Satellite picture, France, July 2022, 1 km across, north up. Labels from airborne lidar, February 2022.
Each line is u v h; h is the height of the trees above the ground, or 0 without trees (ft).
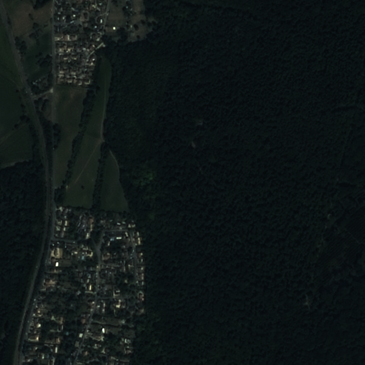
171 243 67
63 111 0
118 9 0
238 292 82
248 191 81
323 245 79
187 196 71
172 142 81
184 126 64
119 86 42
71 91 0
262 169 79
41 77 0
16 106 0
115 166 0
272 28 58
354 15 70
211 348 68
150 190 67
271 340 67
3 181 90
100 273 27
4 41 0
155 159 55
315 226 80
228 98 76
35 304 0
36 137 48
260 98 77
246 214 80
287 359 84
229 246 66
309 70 77
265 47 77
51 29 0
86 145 0
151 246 53
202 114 64
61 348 30
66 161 0
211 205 77
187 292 65
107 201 0
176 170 63
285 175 81
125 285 37
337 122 67
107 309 31
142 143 33
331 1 82
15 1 0
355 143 81
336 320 93
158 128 38
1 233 64
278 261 77
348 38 45
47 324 40
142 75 29
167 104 33
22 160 0
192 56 25
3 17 0
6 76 0
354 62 74
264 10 72
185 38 53
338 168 64
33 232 60
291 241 74
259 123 69
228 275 84
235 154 80
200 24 73
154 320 54
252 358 49
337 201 79
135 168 34
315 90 83
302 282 80
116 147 54
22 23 0
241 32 70
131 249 31
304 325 75
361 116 65
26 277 31
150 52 48
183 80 66
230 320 66
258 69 80
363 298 80
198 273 83
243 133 72
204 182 79
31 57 0
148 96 25
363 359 89
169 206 73
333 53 49
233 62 58
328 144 72
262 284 37
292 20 75
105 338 18
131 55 47
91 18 19
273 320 72
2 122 0
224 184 65
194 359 64
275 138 73
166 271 74
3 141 0
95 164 0
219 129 80
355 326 92
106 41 45
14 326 86
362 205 59
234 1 51
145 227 67
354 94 70
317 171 72
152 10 72
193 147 74
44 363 0
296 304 58
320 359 96
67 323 32
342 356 94
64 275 20
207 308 55
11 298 97
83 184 0
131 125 40
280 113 66
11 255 70
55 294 37
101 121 0
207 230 80
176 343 68
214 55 60
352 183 36
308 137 63
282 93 76
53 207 0
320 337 104
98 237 38
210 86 68
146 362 53
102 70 0
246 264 76
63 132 0
